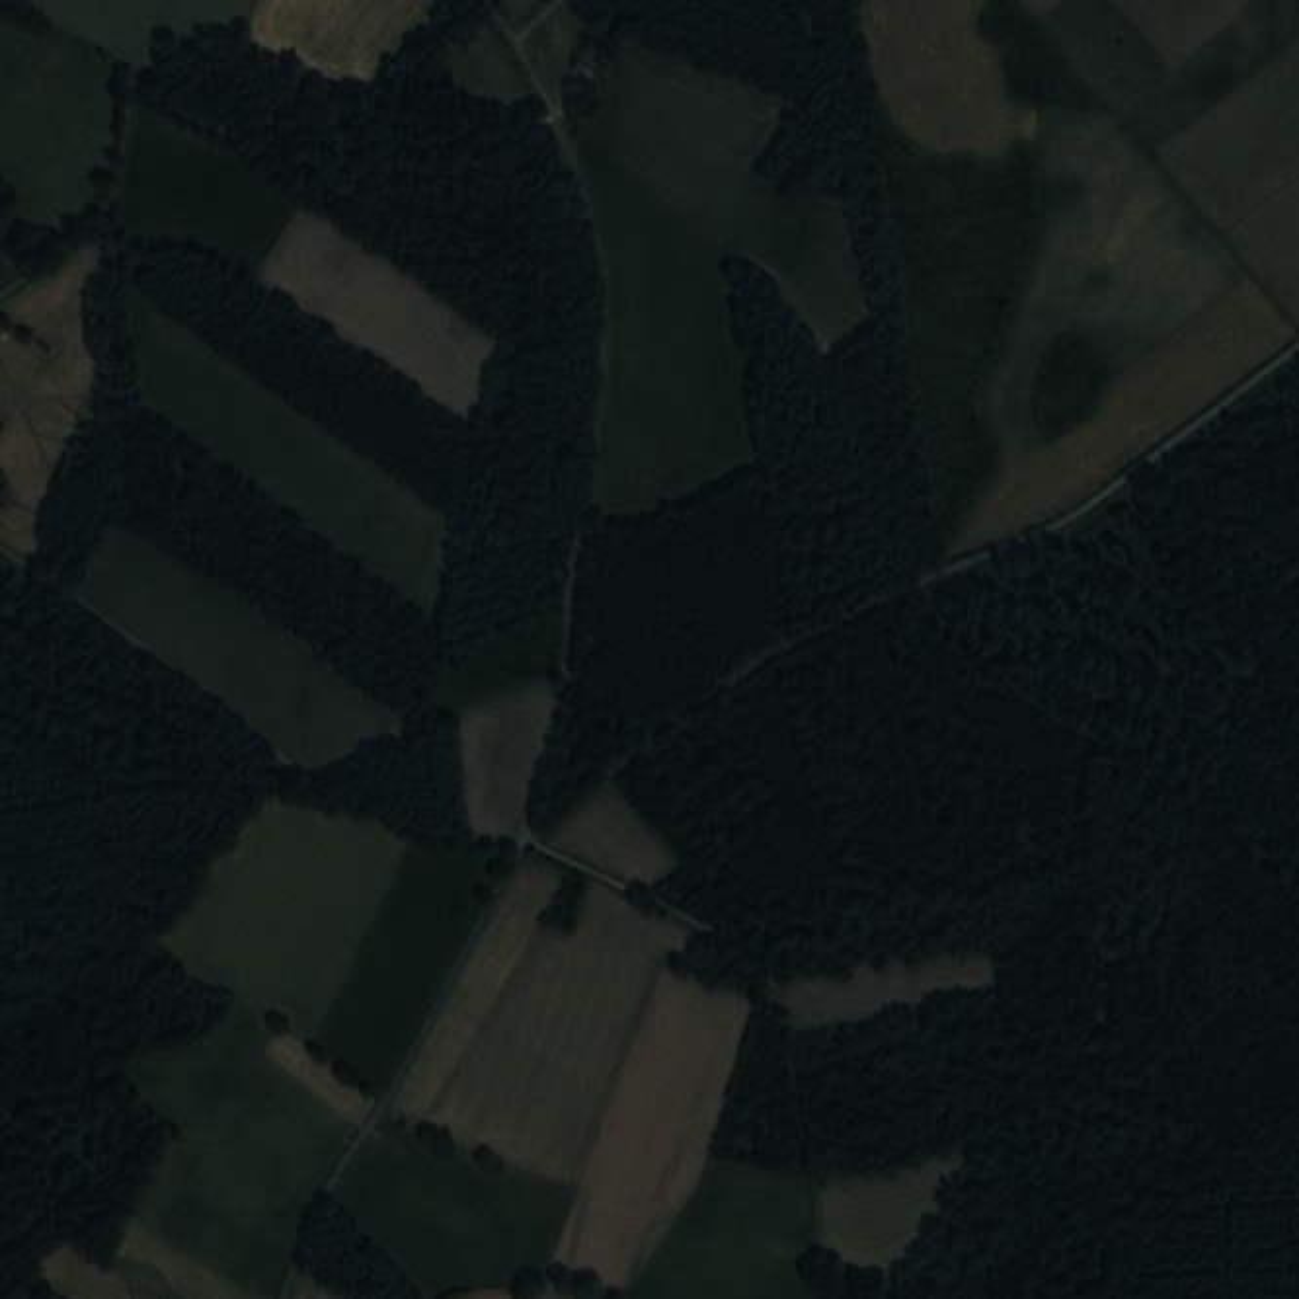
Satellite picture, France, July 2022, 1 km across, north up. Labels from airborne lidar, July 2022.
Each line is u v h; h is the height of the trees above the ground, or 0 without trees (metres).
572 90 7
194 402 0
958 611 33
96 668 16
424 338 0
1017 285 0
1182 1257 16
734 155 0
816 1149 19
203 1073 0
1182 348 0
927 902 27
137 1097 17
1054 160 0
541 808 21
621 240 0
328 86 17
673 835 8
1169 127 0
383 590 18
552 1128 0
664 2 11
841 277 0
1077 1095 15
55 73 0
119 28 0
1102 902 22
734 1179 0
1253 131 0
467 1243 0
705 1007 0
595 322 27
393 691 20
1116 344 0
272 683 0
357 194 21
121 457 20
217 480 17
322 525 0
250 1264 0
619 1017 0
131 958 11
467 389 0
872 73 7
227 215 0
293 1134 0
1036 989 15
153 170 0
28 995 27
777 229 0
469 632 23
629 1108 0
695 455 0
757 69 13
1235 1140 11
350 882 0
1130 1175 11
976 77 0
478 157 25
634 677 16
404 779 24
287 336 13
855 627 9
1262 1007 7
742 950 21
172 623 0
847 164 22
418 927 0
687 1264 0
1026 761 9
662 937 0
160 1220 0
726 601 13
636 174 0
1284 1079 9
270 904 0
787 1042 19
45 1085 15
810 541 9
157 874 21
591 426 9
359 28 0
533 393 17
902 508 18
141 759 8
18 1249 24
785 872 8
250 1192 0
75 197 0
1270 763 15
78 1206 16
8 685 14
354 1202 0
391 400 11
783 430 24
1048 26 0
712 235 0
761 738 11
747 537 16
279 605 14
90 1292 0
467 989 0
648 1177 0
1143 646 0
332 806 21
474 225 22
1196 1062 8
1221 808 16
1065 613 20
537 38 0
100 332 27
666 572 16
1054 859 10
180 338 0
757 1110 9
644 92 0
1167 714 32
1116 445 0
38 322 0
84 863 26
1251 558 24
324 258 0
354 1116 0
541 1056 0
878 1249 0
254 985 0
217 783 23
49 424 0
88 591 0
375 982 0
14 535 0
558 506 27
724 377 0
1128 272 0
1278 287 0
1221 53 0
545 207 24
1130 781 23
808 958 15
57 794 17
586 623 16
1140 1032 15
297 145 22
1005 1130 9
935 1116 10
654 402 0
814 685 13
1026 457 0
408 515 0
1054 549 25
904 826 8
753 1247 0
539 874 0
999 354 0
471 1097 0
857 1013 0
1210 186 0
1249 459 21
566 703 19
